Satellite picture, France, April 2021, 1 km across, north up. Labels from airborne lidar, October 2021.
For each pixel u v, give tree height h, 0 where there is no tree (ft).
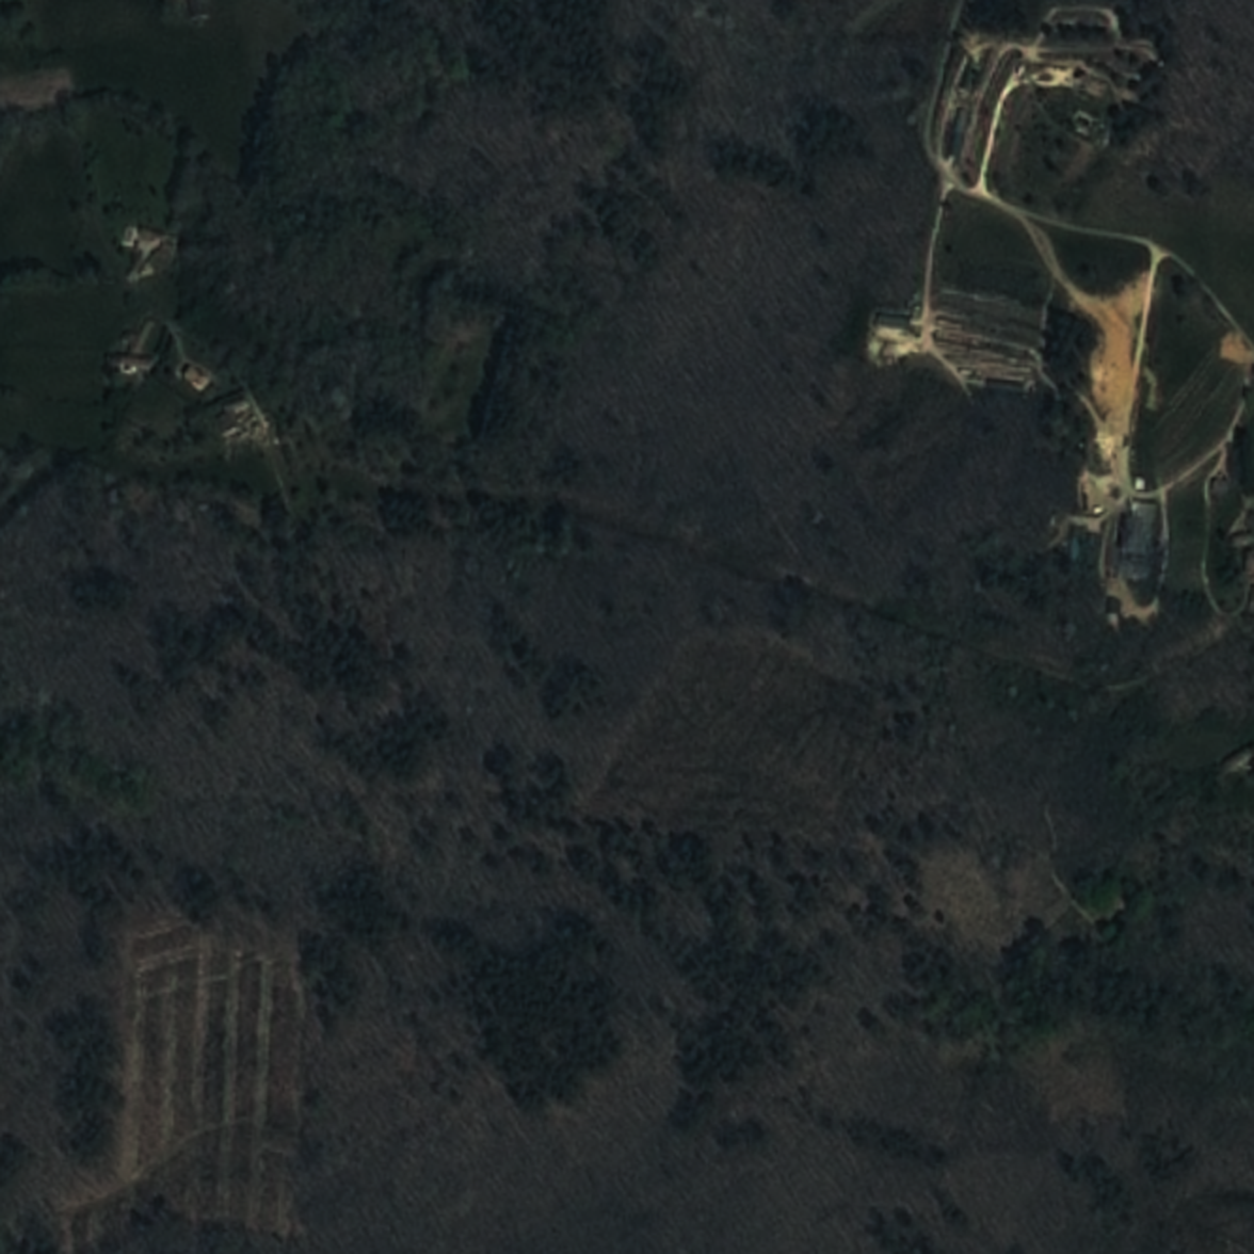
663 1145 57
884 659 62
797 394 56
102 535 58
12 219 0
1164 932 63
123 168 0
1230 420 0
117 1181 52
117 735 64
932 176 42
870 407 20
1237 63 58
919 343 0
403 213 79
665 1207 55
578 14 102
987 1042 72
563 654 58
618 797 17
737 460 61
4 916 62
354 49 69
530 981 83
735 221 49
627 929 52
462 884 56
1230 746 0
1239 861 47
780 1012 33
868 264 45
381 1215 77
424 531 70
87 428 0
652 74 96
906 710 85
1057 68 0
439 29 81
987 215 0
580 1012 76
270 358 49
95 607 83
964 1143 40
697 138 64
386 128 49
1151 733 35
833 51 43
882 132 56
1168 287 0
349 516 22
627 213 87
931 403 20
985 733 36
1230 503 0
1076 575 89
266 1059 0
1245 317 0
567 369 67
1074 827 35
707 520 60
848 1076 53
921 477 29
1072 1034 62
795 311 57
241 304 43
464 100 66
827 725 21
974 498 57
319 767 58
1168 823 46
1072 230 0
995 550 63
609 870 43
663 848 88
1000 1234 70
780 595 43
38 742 66
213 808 0
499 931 69
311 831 0
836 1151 60
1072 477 57
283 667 73
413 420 66
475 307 71
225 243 53
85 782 98
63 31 0
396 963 38
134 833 66
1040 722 36
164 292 0
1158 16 77
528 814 43
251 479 0
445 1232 59
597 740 44
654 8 64
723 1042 94
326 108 66
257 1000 0
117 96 38
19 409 0
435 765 58
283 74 73
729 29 51
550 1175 60
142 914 68
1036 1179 58
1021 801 33
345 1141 52
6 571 62
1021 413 47
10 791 68
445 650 48
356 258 58
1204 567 0
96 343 0
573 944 98
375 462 52
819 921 68
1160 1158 22
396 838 75
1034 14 0
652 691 47
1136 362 0
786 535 46
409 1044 43
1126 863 32
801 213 46
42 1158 59
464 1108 62
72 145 0
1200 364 0
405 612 40
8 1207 67
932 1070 53
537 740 51
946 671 31
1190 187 53
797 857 51
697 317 60
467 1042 51
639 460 60
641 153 48
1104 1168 51
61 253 0
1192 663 47
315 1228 70
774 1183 64
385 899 69
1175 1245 30
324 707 52
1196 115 45
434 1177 64
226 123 0
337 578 43
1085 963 88
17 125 63
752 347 47
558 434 64
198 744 0
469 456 60
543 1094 74
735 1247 65
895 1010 55
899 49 40
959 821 66
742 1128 47
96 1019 76
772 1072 41
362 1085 37
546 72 95
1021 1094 44
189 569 45
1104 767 40
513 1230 57
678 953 53
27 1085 48
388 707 60
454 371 33
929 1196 67
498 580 67
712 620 42
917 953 70
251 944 51
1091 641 52
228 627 81
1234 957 83
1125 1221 51
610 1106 47
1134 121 53
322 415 53
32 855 59
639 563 45
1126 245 0
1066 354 60
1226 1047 76
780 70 50
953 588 51
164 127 50
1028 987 81
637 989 57
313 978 63
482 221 83
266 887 0
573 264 56
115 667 55
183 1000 19
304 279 55
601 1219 62
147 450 45
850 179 47
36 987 46
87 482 84
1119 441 0
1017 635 57
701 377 57
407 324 42
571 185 77
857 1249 62
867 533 66
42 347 0
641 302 61
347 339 48
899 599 59
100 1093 92
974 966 63
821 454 51
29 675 62
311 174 62
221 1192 0
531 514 61
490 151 65
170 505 40
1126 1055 31
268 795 0
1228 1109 44
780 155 58
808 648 67
